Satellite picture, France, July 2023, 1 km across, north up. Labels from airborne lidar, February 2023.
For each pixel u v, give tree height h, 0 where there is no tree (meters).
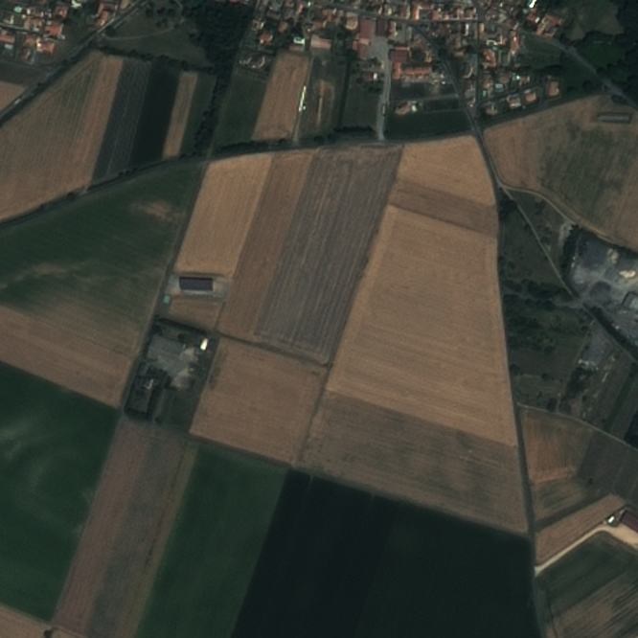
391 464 0
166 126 0
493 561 0
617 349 0
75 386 0
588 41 14
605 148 0
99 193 0
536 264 0
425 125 0
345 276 0
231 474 0
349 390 0
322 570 0
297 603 0
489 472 0
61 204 0
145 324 0
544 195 0
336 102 0
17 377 0
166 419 0
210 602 0
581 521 0
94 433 0
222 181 0
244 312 0
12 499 0
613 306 0
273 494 0
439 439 0
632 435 8
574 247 11
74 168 0
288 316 0
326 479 0
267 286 0
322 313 0
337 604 0
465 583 0
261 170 0
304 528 0
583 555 0
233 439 0
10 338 0
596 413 0
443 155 0
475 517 0
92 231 0
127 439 0
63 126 0
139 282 0
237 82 0
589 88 18
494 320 0
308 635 0
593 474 0
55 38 0
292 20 7
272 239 0
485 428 0
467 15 0
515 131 0
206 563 0
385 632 0
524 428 0
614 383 0
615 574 0
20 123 0
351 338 0
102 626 0
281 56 0
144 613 0
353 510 0
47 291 0
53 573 0
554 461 0
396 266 0
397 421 0
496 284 0
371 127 0
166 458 0
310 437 0
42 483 0
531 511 0
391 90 0
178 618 0
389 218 0
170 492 0
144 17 0
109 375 0
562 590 0
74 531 0
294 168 0
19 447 0
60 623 0
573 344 0
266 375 0
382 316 0
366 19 0
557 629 0
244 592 0
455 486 0
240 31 17
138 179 0
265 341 0
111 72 0
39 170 0
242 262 0
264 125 0
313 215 0
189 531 0
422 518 0
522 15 7
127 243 0
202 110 0
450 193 0
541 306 9
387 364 0
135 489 0
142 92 0
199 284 0
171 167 0
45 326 0
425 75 0
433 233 0
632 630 0
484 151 0
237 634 0
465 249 0
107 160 0
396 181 0
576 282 0
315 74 0
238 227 0
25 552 0
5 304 0
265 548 0
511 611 0
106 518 0
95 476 0
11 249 0
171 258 0
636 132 0
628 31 13
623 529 0
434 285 0
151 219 0
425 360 0
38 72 0
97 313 0
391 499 0
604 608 0
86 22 0
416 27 0
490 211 0
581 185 0
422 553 0
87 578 0
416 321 0
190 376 0
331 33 0
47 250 0
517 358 0
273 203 0
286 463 0
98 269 0
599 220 0
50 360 0
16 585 0
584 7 0
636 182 0
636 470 0
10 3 0
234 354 0
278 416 0
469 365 0
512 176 0
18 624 0
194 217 0
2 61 0
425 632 0
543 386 0
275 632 0
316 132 0
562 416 0
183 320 0
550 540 0
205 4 19
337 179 0
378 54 0
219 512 0
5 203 0
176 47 0
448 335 0
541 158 0
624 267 0
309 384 0
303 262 0
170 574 0
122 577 0
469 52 11
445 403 0
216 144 0
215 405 0
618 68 7
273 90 0
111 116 0
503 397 0
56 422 0
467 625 0
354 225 0
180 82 0
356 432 0
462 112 0
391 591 0
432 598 0
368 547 0
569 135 0
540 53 0
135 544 0
